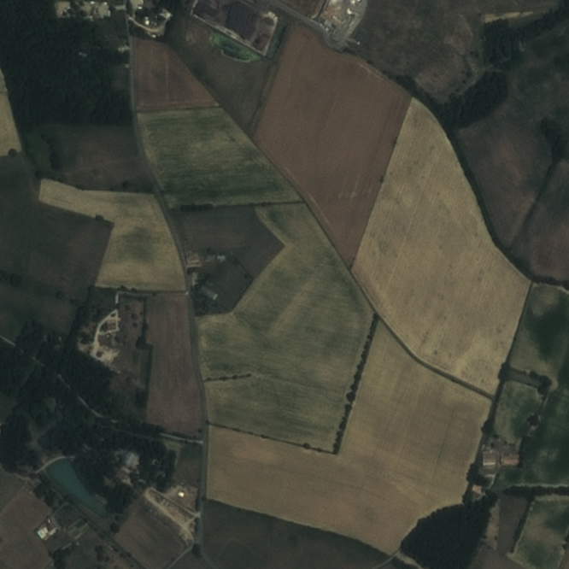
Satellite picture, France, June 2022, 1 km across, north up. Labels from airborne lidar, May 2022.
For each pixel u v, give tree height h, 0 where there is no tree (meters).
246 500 0
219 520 0
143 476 15
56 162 12
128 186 13
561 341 0
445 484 0
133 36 13
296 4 0
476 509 12
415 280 0
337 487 0
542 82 0
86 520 9
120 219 0
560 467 0
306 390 0
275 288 0
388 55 0
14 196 0
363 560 0
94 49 8
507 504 0
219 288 0
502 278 0
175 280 0
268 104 0
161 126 0
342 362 0
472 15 0
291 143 0
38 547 0
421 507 0
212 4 0
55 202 0
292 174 0
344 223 0
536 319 0
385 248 0
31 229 0
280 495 0
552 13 15
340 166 0
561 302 0
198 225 0
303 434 0
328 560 0
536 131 0
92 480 17
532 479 0
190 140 0
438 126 0
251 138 0
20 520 0
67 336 10
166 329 0
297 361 0
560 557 0
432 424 0
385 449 0
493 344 0
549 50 0
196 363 0
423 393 0
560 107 0
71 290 0
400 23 0
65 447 19
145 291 0
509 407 0
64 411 22
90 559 0
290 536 0
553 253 0
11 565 0
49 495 10
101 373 15
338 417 0
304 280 0
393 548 0
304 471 0
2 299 0
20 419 24
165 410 0
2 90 0
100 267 0
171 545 0
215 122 0
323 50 0
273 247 0
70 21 6
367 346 8
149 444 19
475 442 0
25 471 19
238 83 0
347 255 0
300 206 0
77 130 0
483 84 15
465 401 0
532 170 0
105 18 9
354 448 0
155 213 0
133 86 0
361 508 0
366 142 0
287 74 0
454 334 0
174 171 0
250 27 0
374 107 0
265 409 0
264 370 0
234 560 0
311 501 0
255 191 0
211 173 0
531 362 0
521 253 0
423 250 0
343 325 0
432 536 15
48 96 18
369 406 0
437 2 0
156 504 0
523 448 8
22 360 13
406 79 11
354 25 0
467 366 0
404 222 0
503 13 0
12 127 0
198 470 0
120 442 20
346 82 0
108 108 14
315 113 0
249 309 0
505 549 0
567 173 0
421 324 0
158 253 0
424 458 0
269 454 0
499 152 0
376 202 0
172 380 0
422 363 0
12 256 0
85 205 0
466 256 0
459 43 0
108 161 0
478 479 12
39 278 0
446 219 0
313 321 0
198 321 0
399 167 0
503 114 0
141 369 0
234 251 0
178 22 0
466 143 0
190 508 0
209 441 0
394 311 0
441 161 0
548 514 0
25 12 12
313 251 0
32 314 0
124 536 0
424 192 0
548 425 0
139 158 0
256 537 0
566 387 0
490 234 7
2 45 12
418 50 0
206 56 0
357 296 0
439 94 0
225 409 0
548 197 0
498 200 0
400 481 0
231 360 0
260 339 0
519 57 20
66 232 0
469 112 17
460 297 0
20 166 0
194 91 0
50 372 19
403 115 0
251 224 0
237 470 0
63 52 11
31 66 12
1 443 18
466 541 17
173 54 0
